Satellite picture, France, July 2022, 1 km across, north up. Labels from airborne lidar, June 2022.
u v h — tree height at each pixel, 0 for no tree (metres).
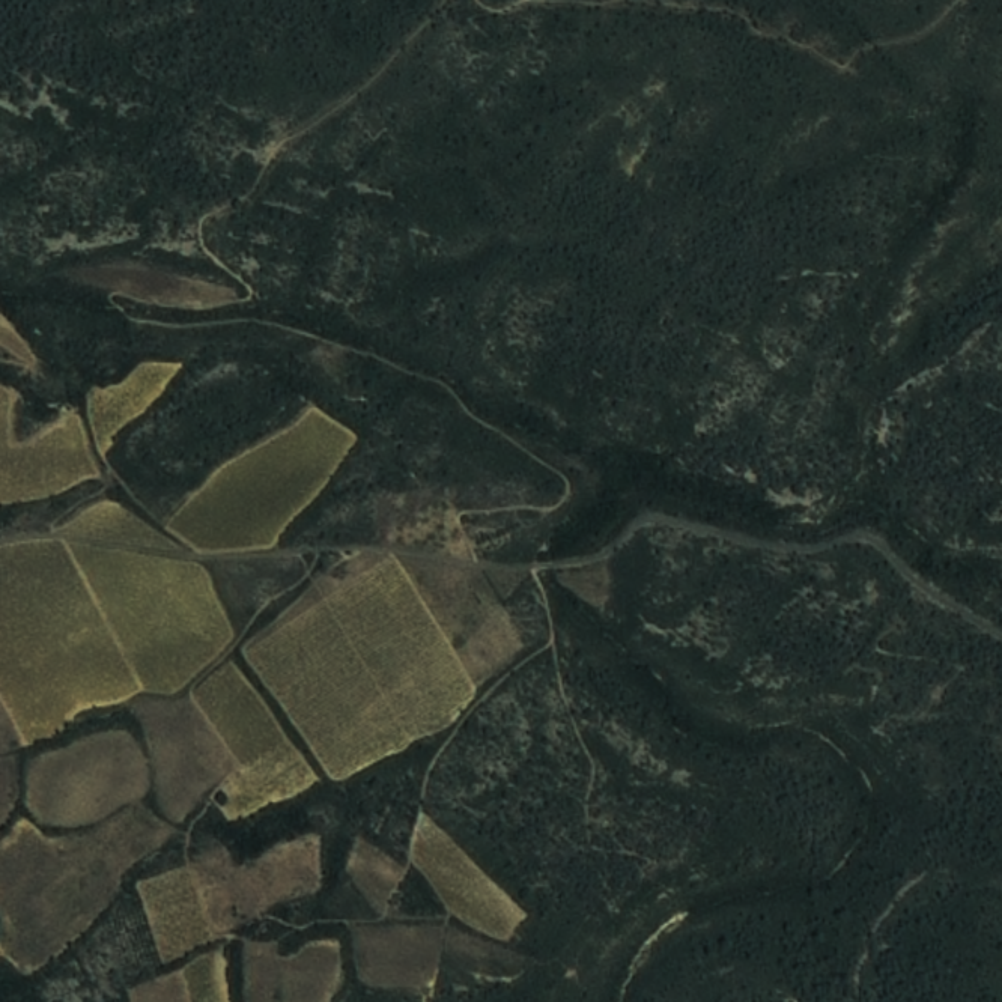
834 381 0
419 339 9
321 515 0
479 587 0
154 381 0
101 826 0
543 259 6
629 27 8
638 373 7
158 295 0
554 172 7
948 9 0
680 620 0
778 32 0
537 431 8
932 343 10
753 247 10
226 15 10
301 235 7
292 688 0
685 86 0
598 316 5
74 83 12
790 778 8
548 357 8
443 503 0
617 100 0
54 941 0
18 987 7
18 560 0
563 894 8
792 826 6
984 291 8
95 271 0
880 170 8
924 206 6
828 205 9
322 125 0
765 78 9
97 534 0
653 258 13
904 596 6
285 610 0
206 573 0
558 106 8
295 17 8
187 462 8
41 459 0
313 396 6
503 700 0
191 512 0
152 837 0
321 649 0
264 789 0
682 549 0
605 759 0
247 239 8
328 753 0
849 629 10
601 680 8
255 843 8
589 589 0
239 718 0
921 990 6
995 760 7
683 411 0
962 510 9
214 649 0
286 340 0
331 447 0
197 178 10
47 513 0
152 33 6
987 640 7
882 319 0
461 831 0
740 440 9
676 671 0
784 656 7
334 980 0
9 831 10
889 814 8
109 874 0
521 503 0
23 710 0
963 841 7
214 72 10
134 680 0
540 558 9
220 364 0
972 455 8
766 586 7
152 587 0
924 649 7
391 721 0
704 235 10
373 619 0
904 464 8
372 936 0
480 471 0
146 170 8
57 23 9
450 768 7
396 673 0
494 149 8
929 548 6
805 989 10
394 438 9
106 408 0
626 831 8
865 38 8
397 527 0
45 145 8
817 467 8
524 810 7
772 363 0
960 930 8
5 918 0
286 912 6
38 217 6
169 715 0
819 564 0
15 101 10
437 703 0
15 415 0
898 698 11
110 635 0
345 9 7
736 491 11
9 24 8
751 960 9
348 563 0
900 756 0
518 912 0
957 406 7
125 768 0
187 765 0
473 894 0
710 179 9
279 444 0
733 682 0
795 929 12
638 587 0
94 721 6
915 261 0
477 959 0
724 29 9
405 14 7
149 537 0
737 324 7
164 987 0
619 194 8
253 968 0
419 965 0
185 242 0
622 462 6
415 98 0
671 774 0
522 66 0
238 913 0
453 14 9
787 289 11
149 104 7
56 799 0
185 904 0
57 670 0
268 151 0
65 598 0
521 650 0
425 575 0
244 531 0
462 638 0
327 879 5
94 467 0
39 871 0
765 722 9
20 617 0
